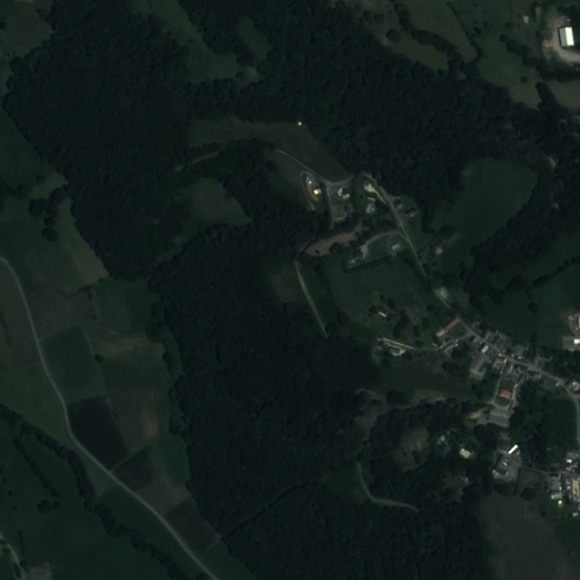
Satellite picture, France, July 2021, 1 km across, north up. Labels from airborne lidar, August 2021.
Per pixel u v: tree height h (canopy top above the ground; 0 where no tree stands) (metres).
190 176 24
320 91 25
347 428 20
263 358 22
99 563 0
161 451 0
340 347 23
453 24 0
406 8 9
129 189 24
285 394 21
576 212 22
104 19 18
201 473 20
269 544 20
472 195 0
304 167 0
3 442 0
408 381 0
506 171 0
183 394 22
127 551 0
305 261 19
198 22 19
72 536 0
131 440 0
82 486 23
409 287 0
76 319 0
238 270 22
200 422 20
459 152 26
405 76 30
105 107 24
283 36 24
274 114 22
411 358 8
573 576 0
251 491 12
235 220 0
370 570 25
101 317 0
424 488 25
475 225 0
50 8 0
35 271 0
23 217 0
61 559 0
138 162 25
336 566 20
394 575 24
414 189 27
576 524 0
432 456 11
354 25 26
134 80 20
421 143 27
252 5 19
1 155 0
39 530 0
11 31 0
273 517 24
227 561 0
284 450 18
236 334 27
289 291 0
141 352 0
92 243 27
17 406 0
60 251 0
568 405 0
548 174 24
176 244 18
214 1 13
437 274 12
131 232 23
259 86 22
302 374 17
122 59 26
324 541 12
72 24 20
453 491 15
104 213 25
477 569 24
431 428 11
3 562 0
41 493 0
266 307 14
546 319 0
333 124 24
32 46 0
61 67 23
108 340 0
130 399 0
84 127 25
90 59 23
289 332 23
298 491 24
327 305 0
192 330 27
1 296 0
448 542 27
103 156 26
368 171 22
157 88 20
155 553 18
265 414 20
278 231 23
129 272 22
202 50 0
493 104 26
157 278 24
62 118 21
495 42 0
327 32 9
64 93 23
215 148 21
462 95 25
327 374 18
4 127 0
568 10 12
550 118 33
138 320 0
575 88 0
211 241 20
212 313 22
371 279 0
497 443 10
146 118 18
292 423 25
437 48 20
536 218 26
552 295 0
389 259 11
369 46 24
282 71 17
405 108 28
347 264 7
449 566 24
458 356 14
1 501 0
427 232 13
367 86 21
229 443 17
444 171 20
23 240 0
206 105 20
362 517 16
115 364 0
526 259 11
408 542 23
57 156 22
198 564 0
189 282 21
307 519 12
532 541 0
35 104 23
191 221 0
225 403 21
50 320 0
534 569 0
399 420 19
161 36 24
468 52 0
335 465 17
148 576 0
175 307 26
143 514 0
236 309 19
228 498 16
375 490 21
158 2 0
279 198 0
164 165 20
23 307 0
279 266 0
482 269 22
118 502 0
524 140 27
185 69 13
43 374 0
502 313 0
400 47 0
